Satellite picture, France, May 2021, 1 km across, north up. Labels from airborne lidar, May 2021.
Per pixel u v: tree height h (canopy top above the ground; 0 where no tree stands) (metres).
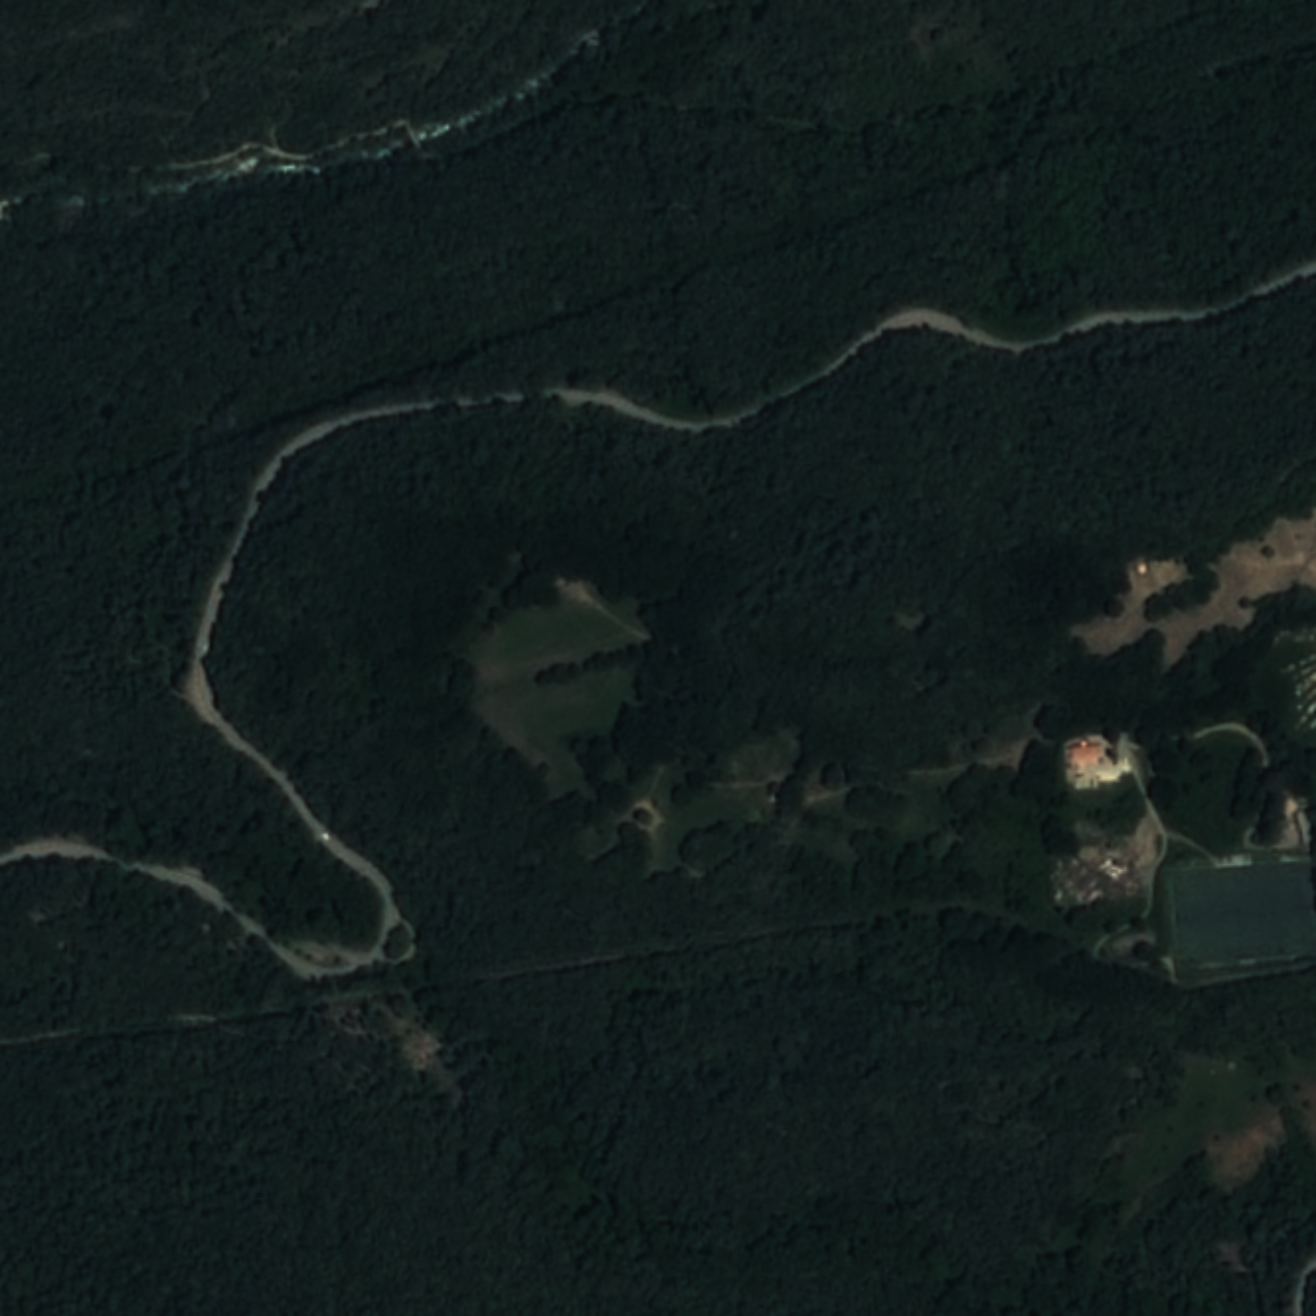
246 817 10
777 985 18
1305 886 0
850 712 12
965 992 12
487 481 13
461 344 7
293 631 17
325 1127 15
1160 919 0
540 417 10
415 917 17
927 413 15
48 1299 12
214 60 7
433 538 13
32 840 9
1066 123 15
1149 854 0
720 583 16
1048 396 17
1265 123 20
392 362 8
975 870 13
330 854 13
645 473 21
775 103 10
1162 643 14
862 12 14
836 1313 11
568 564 16
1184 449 9
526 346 15
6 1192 14
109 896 13
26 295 18
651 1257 16
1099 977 16
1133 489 15
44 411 12
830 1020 20
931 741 17
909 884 11
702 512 20
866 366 14
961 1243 19
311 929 19
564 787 0
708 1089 18
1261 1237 20
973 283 20
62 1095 16
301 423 15
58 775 23
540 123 11
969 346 15
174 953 17
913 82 8
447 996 18
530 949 14
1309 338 19
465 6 10
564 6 11
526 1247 16
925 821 0
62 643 14
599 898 15
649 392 19
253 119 7
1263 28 17
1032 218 16
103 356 16
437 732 12
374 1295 15
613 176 16
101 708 11
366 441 12
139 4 6
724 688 13
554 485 17
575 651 0
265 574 17
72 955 9
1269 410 14
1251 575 0
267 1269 21
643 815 13
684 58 6
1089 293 15
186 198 7
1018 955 17
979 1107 11
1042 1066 15
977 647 16
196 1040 16
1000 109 18
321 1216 20
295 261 21
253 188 11
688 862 14
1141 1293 19
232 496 18
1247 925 0
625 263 18
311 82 6
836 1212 18
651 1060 14
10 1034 16
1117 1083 15
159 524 19
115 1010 13
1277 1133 0
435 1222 21
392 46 12
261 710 14
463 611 17
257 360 21
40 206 14
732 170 21
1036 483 18
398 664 19
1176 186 24
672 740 18
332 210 17
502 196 15
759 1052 19
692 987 15
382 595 10
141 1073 17
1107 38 14
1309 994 12
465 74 10
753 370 20
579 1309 17
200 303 20
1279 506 7
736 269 11
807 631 11
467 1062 20
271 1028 13
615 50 18
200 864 15
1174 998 16
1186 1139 0
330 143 6
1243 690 12
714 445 11
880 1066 11
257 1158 17
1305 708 0
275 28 7
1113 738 16
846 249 15
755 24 10
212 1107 20
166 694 10
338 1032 16
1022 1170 8
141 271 24
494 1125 20
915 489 20
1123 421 15
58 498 13
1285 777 16
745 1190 17
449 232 19
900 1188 19
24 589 17
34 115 9
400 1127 15
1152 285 19
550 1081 15
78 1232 14
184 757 13
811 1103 15
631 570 19
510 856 15
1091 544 17
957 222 18
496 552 14
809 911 14
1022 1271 26
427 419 12
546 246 16
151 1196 12
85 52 12
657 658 18
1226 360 22
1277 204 21
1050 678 14
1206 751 7
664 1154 17
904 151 19
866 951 19
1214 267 15
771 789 8
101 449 14
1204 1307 12
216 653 11
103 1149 13
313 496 12
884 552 19
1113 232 17
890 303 16
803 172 17
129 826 22
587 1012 15
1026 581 19
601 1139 16
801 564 15
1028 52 17
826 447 15
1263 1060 14
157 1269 12
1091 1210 12
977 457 19
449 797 15
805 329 21
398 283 18
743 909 13
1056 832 15
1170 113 18
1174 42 18
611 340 18
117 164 9
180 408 17
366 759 15
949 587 14
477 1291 18
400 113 7
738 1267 19
